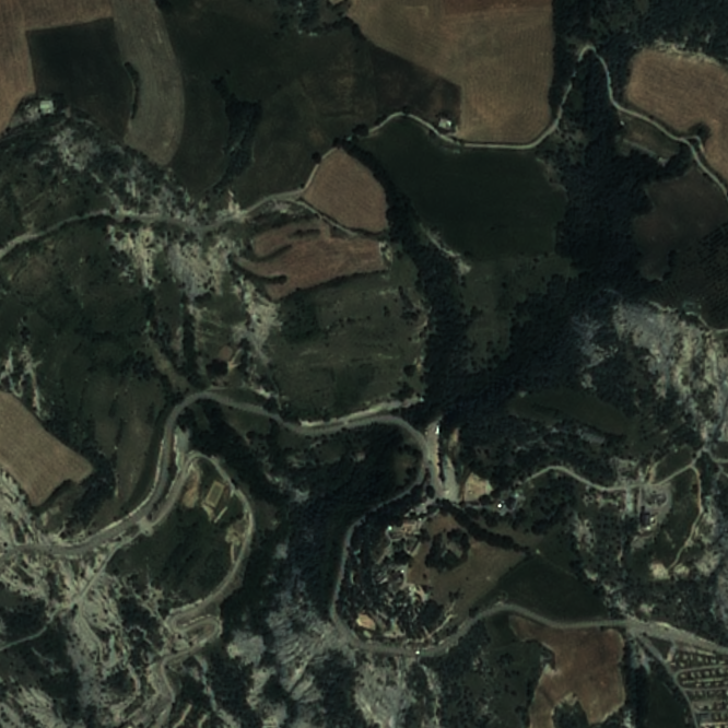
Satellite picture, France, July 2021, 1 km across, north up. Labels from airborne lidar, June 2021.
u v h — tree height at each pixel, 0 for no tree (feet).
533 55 0
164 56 0
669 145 0
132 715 0
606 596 30
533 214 0
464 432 37
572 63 32
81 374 0
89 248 0
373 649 0
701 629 19
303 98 0
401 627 22
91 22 0
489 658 0
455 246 0
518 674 21
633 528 24
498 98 0
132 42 0
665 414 26
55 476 0
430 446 0
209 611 0
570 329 37
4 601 0
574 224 43
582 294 47
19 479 0
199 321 0
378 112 0
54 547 0
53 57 0
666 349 0
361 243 0
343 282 22
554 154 37
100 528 0
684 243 0
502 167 0
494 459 17
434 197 0
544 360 41
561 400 0
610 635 0
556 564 0
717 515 0
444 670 24
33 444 0
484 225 0
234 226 0
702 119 0
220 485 0
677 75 0
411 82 0
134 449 0
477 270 0
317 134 0
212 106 0
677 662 0
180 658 0
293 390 0
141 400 0
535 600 0
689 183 0
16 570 0
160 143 0
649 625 0
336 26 30
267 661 25
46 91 0
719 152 0
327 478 42
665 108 0
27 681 0
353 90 0
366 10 0
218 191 21
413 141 0
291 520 25
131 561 0
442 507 26
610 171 46
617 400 24
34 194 0
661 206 0
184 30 0
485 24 0
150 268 0
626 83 24
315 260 0
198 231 0
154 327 23
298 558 20
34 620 20
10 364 0
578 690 0
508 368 51
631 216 25
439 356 51
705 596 20
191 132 0
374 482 53
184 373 40
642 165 38
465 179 0
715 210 0
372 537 29
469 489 0
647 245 0
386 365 0
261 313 0
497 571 0
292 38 0
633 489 0
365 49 0
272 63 0
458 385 40
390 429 59
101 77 0
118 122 0
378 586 21
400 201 38
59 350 0
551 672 0
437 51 0
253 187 0
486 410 29
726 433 0
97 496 34
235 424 0
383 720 0
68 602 0
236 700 25
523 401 0
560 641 0
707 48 23
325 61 0
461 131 0
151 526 0
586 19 37
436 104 0
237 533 0
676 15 21
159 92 0
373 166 37
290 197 0
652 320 0
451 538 53
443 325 55
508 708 0
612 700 0
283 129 0
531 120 0
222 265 0
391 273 0
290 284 0
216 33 0
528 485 0
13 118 0
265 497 25
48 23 0
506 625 0
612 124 33
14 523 0
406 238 38
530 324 27
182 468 0
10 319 0
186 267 0
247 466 35
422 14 0
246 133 22
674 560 0
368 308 0
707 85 0
